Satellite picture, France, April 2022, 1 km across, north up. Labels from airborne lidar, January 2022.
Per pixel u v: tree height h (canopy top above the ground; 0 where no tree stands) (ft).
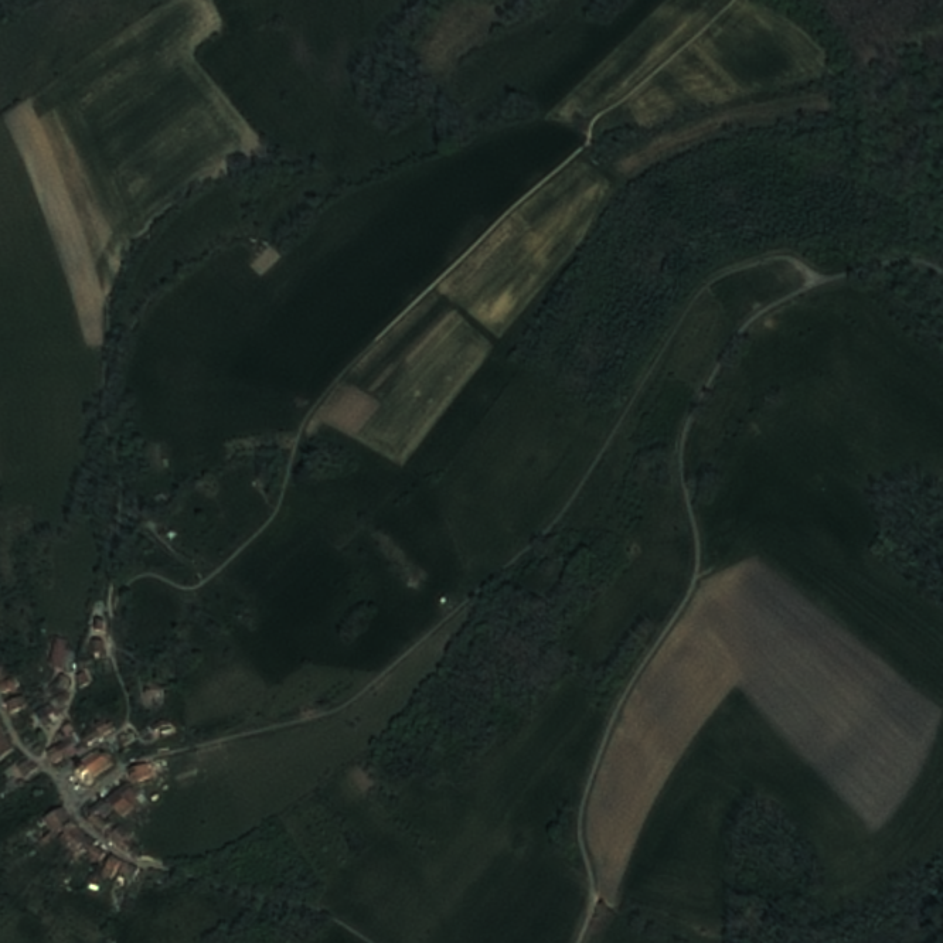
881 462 0
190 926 0
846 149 60
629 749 0
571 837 74
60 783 0
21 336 0
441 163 0
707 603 0
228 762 0
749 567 0
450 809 0
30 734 0
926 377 0
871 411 0
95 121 0
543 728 0
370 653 0
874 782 0
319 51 0
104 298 0
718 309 0
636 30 0
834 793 0
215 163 0
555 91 0
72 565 0
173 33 0
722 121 0
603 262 37
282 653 0
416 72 65
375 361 0
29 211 0
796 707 0
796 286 0
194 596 0
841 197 41
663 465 73
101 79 0
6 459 0
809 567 0
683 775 0
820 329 0
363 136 0
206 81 0
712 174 35
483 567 0
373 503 0
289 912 64
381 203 0
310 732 0
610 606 0
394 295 0
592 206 0
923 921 82
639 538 0
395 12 0
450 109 64
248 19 0
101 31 0
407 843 0
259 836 29
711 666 0
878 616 0
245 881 20
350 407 0
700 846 0
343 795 0
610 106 0
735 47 0
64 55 0
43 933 0
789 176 24
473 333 0
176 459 0
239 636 0
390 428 0
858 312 0
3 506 0
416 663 0
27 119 0
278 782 0
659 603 0
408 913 0
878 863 0
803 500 0
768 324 0
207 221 0
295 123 0
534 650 87
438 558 0
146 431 0
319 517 0
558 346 26
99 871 29
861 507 0
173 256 0
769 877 34
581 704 0
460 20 0
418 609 0
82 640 18
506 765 0
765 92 0
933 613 0
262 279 0
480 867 0
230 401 0
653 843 0
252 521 0
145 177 0
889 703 0
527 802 0
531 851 0
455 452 0
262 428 0
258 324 0
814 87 25
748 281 0
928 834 0
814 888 73
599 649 0
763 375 0
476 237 0
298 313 0
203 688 0
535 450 0
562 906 0
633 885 0
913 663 0
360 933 0
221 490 0
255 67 0
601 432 0
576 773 0
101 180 0
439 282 0
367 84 79
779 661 0
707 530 0
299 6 0
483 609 43
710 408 73
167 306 0
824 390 0
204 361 0
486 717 58
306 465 33
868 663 0
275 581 0
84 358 0
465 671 52
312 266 0
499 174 0
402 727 41
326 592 0
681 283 39
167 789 0
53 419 0
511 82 0
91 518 54
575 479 0
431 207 0
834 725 0
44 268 0
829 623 0
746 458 0
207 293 0
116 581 50
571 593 72
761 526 0
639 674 0
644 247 54
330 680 0
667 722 0
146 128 0
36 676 0
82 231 0
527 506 0
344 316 0
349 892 0
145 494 0
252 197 47
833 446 0
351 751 0
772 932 81
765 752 0
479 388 0
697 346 0
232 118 0
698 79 0
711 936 0
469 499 0
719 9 0
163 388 0
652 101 0
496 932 0
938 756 0
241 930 50
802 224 34
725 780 0
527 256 0
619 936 0
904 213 28
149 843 0
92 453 52
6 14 48
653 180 31
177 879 47
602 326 42
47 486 0
